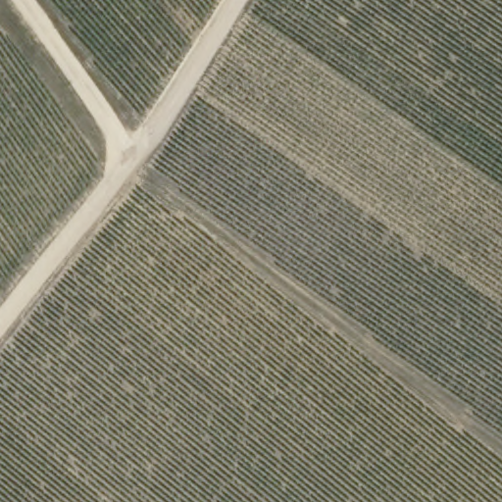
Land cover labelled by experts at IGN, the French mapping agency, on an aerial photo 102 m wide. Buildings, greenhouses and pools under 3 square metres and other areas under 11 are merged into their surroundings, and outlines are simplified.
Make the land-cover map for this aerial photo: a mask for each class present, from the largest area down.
<instances>
[{"label":"vineyard","instance_id":"1","mask_svg":"<svg viewBox=\"0 0 502 502\"><path fill-rule=\"evenodd\" d=\"M106 163V141L102 129L80 100V96L76 94L69 78L63 75L55 59L43 47V43L37 41L33 31L24 24L22 16L16 12L10 0H0V306L6 302L10 290L24 278L27 269L35 263V259L41 257L45 249L53 243V226L57 222H65L69 214H75L84 194L90 192L92 186L102 178ZM37 4L49 16L51 24L55 25L67 47L73 51L86 75L98 86V90L112 106L125 129H137V125L143 122L145 112L163 92L167 78L175 73L180 59L192 45L196 33L210 18L218 0H37ZM0 502H502V0H247L231 29L227 31L224 41L220 43L218 51L214 53L204 73L194 84L188 100L180 108L165 139L143 159V163L135 171L129 173L127 180L108 202V208L102 212V216L86 229V233L76 241L75 247L63 259V263L43 282L39 294L29 302L24 312L18 314L14 324L0 337Z\"/></svg>","mask_w":502,"mask_h":502},{"label":"pervious surface","instance_id":"2","mask_svg":"<svg viewBox=\"0 0 502 502\"><path fill-rule=\"evenodd\" d=\"M16 12L22 16L24 24L33 31L37 41L43 43V47L55 59L63 75L69 78L76 94L80 96V100L102 129L106 141V163L102 178L92 186L90 192L84 194L75 214H69L65 222H57L53 226V243L45 249L41 257L35 259V263L27 269L24 278L10 290L6 302L0 306V337L14 324L18 314L24 312L29 302L39 294L43 282L63 263V259L75 247L76 241L86 233V229L102 216V212L108 208V202L127 180L129 173L135 171L143 163V159L165 139L180 108L188 100L194 84L204 73L214 53L218 51L220 43L224 41L227 31L231 29L247 0H218L210 18L196 33L192 45L180 59L175 73L167 78L163 92L145 112L143 122L137 125V129H125L112 106L98 90V86L86 75L73 51L67 47L55 25L51 24L49 16L37 4V0H10Z\"/></svg>","mask_w":502,"mask_h":502}]
</instances>
